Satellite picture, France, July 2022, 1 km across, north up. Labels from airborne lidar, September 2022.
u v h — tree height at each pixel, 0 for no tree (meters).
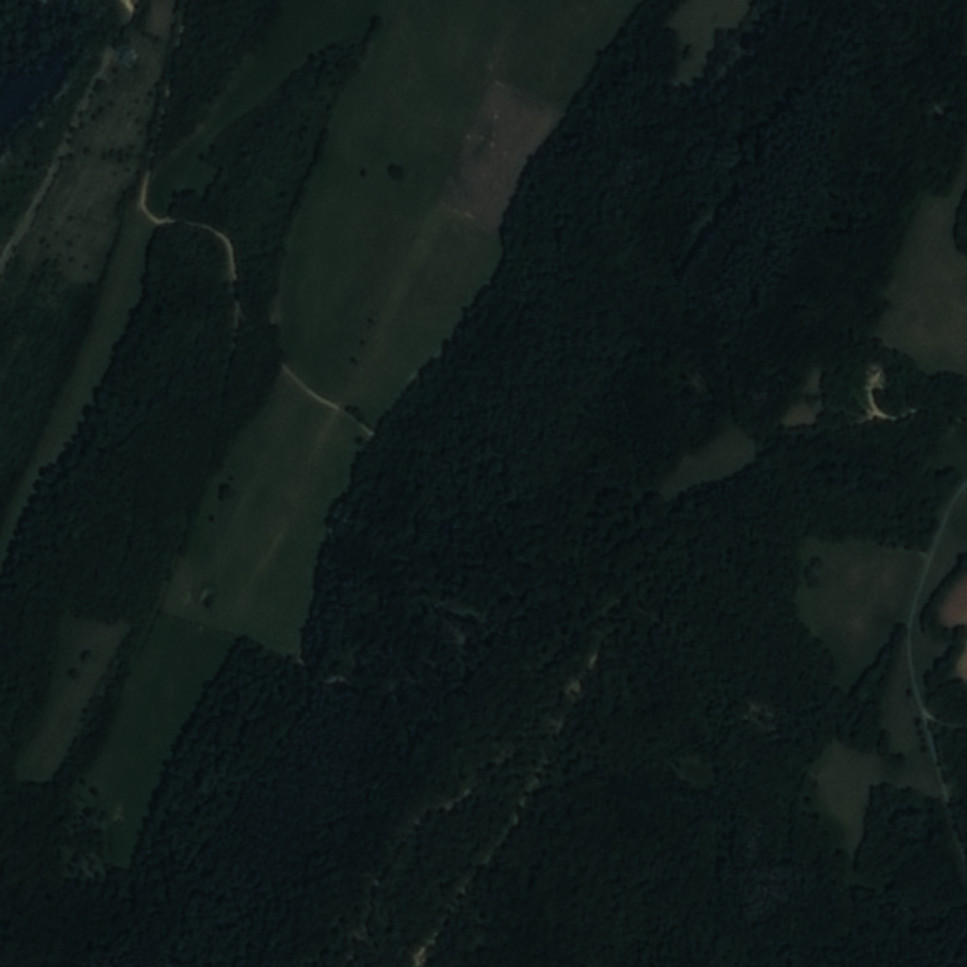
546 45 0
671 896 20
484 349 17
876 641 0
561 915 17
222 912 22
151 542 10
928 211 0
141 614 13
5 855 23
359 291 0
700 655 15
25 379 9
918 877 17
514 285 17
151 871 22
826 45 29
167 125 10
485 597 22
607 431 16
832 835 13
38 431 6
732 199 9
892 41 27
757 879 23
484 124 0
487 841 17
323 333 0
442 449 20
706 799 13
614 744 16
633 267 19
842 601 0
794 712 13
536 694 20
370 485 17
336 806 22
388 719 24
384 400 0
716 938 7
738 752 16
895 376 10
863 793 0
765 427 15
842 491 19
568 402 15
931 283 0
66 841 17
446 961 18
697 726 14
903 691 0
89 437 12
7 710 18
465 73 0
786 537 12
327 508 0
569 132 6
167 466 12
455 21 0
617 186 21
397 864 20
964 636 12
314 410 0
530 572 25
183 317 13
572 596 21
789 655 16
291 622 0
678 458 13
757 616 14
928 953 20
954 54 20
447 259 0
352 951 21
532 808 11
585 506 25
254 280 10
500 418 16
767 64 29
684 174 17
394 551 20
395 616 25
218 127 0
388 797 21
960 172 15
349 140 0
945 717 16
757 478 13
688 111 20
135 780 0
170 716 0
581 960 16
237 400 13
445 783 17
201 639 0
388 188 0
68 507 16
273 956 21
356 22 0
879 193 25
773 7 8
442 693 26
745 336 19
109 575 8
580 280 16
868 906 27
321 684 20
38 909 30
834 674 21
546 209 18
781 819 16
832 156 31
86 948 23
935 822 9
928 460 21
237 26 8
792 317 22
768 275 34
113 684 11
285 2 11
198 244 7
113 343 0
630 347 15
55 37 11
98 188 0
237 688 21
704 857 17
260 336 11
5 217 9
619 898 16
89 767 15
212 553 0
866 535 16
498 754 17
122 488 9
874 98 25
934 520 6
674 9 7
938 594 10
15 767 18
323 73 11
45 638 16
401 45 0
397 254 0
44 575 19
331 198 0
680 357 24
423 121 0
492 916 22
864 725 16
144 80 0
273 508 0
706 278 27
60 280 6
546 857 20
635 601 19
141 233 0
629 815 13
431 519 18
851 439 9
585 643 21
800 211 33
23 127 8
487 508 15
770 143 28
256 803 21
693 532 15
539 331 21
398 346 0
